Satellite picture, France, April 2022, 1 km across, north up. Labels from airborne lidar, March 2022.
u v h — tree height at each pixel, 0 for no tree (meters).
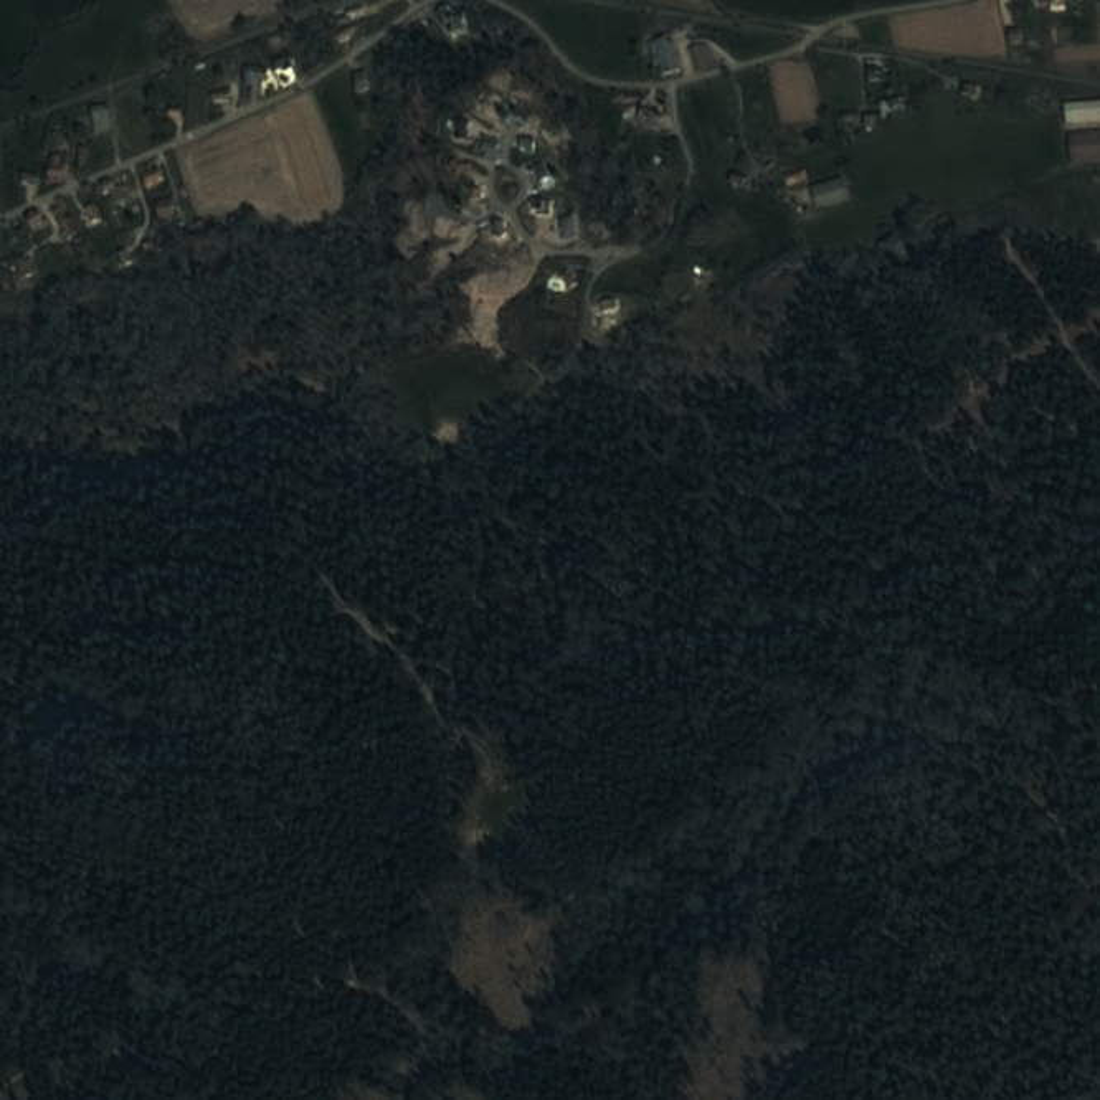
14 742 27
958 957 38
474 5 16
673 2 0
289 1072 18
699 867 20
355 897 28
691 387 15
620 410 27
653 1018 14
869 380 12
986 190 0
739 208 0
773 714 23
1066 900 28
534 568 8
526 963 0
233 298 10
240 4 0
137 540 21
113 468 14
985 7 0
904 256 0
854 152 0
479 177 0
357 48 0
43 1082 27
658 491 10
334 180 0
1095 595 12
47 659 14
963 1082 34
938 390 32
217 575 29
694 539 34
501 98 0
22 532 26
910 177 0
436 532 34
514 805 0
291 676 10
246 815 33
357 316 16
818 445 9
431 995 12
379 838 29
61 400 13
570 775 27
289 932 19
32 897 33
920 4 0
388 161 23
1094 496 18
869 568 22
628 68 0
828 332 12
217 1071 17
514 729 26
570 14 0
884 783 17
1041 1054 38
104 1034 30
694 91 0
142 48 0
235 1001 28
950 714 19
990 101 0
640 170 20
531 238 0
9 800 26
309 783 31
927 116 0
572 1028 22
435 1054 22
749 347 0
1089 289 10
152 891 27
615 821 29
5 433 16
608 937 18
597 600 35
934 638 26
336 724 20
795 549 35
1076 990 22
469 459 16
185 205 0
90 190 11
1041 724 37
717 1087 0
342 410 22
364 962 25
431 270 0
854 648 22
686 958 21
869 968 23
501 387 0
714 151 0
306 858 29
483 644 13
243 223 16
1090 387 7
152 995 23
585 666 26
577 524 37
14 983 18
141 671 26
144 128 0
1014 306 13
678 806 28
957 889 33
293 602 30
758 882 28
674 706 23
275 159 0
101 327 12
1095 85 0
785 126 0
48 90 0
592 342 0
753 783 29
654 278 0
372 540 32
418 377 0
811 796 16
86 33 0
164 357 16
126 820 13
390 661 25
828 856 13
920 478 29
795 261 17
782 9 0
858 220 0
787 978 25
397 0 0
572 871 27
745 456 28
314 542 14
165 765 17
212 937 26
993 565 24
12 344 20
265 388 9
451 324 20
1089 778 38
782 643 23
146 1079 28
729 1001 0
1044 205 0
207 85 0
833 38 0
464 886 24
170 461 10
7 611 17
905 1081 27
